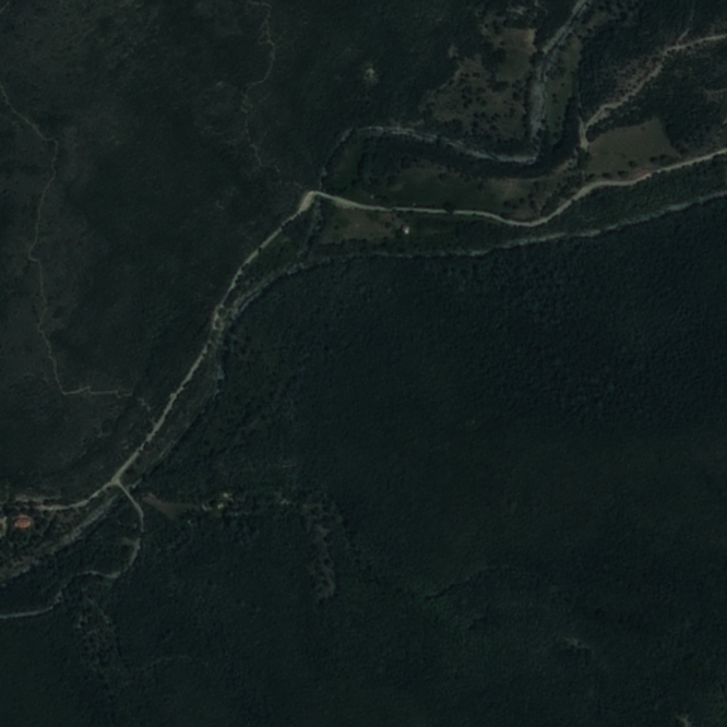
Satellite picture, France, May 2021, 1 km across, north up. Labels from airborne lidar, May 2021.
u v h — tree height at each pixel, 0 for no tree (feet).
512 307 57
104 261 21
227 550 45
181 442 38
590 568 38
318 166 33
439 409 26
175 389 23
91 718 25
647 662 26
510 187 0
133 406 25
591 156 34
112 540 21
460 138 45
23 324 0
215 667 29
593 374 43
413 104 43
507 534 20
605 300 36
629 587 28
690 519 19
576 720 41
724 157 31
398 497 28
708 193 42
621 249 48
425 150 42
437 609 43
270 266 28
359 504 28
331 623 32
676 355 33
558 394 39
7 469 22
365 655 31
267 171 22
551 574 49
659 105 24
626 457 18
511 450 20
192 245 23
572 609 42
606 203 50
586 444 18
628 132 0
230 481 20
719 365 28
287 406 19
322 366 27
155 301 21
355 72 30
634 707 36
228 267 25
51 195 0
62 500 18
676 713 36
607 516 30
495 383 35
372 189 38
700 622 28
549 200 20
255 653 20
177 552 54
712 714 44
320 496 27
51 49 0
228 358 70
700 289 25
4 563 29
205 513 30
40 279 0
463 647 40
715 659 36
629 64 22
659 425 25
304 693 23
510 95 0
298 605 26
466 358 37
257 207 20
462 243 35
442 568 20
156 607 30
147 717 21
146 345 25
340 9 22
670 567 34
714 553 22
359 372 20
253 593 27
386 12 29
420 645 35
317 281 37
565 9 33
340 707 17
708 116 26
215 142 20
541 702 34
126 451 25
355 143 27
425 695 42
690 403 26
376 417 21
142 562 57
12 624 27
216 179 22
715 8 18
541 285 66
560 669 20
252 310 29
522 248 58
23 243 0
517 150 47
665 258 29
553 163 45
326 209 44
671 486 18
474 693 31
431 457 31
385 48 23
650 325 29
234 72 18
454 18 24
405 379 19
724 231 39
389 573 40
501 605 25
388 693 22
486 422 26
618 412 41
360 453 18
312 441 24
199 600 32
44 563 63
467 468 21
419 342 22
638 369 45
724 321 27
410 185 0
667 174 41
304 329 48
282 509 27
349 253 62
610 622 64
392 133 26
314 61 18
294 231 44
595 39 25
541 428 21
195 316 26
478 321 34
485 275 43
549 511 19
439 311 33
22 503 34
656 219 49
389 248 51
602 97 18
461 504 17
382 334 26
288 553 33
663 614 48
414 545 23
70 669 36
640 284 28
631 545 45
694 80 23
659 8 31
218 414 26
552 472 18
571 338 43
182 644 37
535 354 46
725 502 18
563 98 0
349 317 24
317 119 28
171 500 38
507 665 28
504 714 34
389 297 23
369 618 37
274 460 19
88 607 25
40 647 19
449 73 54
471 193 0
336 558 49
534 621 38
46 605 43
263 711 34
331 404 24
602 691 51
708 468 23
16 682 17
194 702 17
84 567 61
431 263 50
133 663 28
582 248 70
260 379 31
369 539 36
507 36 0
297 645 21
